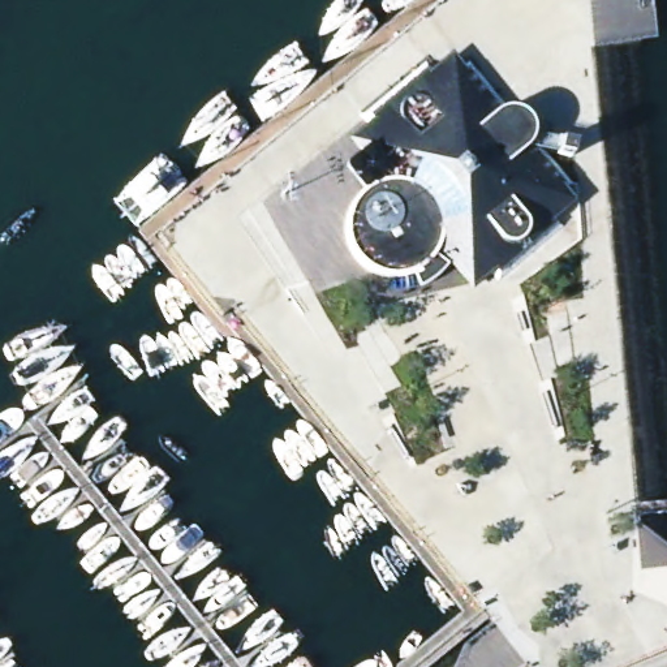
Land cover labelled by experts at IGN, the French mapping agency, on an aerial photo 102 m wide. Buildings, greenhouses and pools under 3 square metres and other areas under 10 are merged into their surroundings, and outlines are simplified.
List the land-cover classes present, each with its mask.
<instances>
[{"label":"water","instance_id":"1","mask_svg":"<svg viewBox=\"0 0 667 667\"><path fill-rule=\"evenodd\" d=\"M417 0H0V667H393L399 657L414 654V649L422 644V636H433L440 625L453 620L459 615V607H451L440 584L427 578V571L419 560H412L406 542L393 537V526L380 524V511L373 508L367 498L357 495L360 485L349 479V474H344L339 464H334V453L326 451L323 440L315 435L310 425L297 419L294 406H276L268 399L266 375H261L258 370V360L240 341L227 344L224 339H216V328L211 326V320L198 313L195 302L188 300V292L180 281L169 279L167 266L159 258V250L149 237H143L135 229V224L164 203L167 188L201 177L203 172H208L206 162L229 154L232 149H237L240 138H250L261 128V117H271L294 104L302 94L305 81H310L313 70H334V57L362 47L367 42L365 31H380L391 21L388 10L406 8ZM659 34L641 42L597 44L594 63L599 115H604L617 130V135L604 146V162L612 211V253L623 326L625 388L636 461V508L667 513V0H657Z\"/></svg>","mask_w":667,"mask_h":667},{"label":"impervious surface","instance_id":"2","mask_svg":"<svg viewBox=\"0 0 667 667\"><path fill-rule=\"evenodd\" d=\"M391 21L380 31H365L367 42L362 47L334 57V70H313L310 81H305L302 94L294 104L271 117H261V128L250 138H240L237 149H232L229 154L206 162L208 172H203L201 177L167 188L164 203L135 224V229L143 237H149L159 250V258L167 266L169 279L180 281L188 292V300L195 302L198 313L211 320V326L216 328V339H224L227 344L240 341L258 360V370L261 375H266L268 399L276 406H294L297 419L310 425L315 435L323 440L326 451L334 453V464H339L344 474H349V479L360 485L357 495L367 498L373 508L380 511V524L393 526V537L406 542L412 560H419L427 571V578L440 584L451 607H459V615L453 620L440 625L433 636H422V644L414 649V654L399 657L393 667H560V657L568 654L576 644H591L599 649L602 659L586 667H667V513L636 508V461L625 388L623 326L612 253V211L604 162V146L617 135V130L604 115H599L594 63L597 44L641 42L659 34L657 0H417L406 8L388 10ZM425 57H451L456 63L459 86L474 78L495 104L511 99L513 94L529 96L542 120L539 130L547 135L565 133L568 143L584 149L576 164L594 182V195L586 203H578L565 224L552 227L529 253H524L508 268H498L487 281H477L474 274L464 279L453 263L446 268L443 276H370L352 261L341 237V219L347 201L352 195L344 167H349L357 154L352 143L360 135L357 128L365 125L360 120V112L367 109V102L378 96L391 81H396L401 73H406ZM573 245L584 250V292L581 297L550 305L547 336L534 339L521 284L537 271H542L550 261L565 255ZM360 276H367L362 281L365 302L375 323L357 336V347H344L341 336L326 318L318 294ZM399 300L414 302L422 313L401 326L380 320L391 307H396ZM425 341H435L430 349L440 362L427 375V383L430 391L438 396L440 412L446 414L427 417L430 427H440V453L417 464L393 427V409H380V399H386V393L399 386L393 375V365L399 362V357L409 352H422ZM584 357L597 360L589 386L597 419L594 440L571 438L555 419V367ZM474 453L482 459V466L490 474H469L456 469V459H466ZM508 518L518 521L521 529L511 539L490 545L485 539V532ZM565 584H578L576 604H586V610L555 628L539 633L532 631V620L542 612L545 597L550 591L563 589Z\"/></svg>","mask_w":667,"mask_h":667},{"label":"building","instance_id":"3","mask_svg":"<svg viewBox=\"0 0 667 667\"><path fill-rule=\"evenodd\" d=\"M360 120L365 125L357 128L360 135L352 143L357 154L349 167H344L352 195L347 201L341 219V237L352 261L370 276H443L446 268L453 263L464 279L474 274L477 281H487L498 268H508L524 253H529L552 227L565 224L578 203H586L594 195V182L576 164L584 149L568 143L565 133L547 135L539 130L542 120L529 96L513 94L511 99L495 104L474 78L459 86L456 63L451 57H425L406 73H401L396 81H391L378 96L367 102V109L360 112Z\"/></svg>","mask_w":667,"mask_h":667},{"label":"deciduous trees","instance_id":"4","mask_svg":"<svg viewBox=\"0 0 667 667\"><path fill-rule=\"evenodd\" d=\"M584 250L573 245L565 255L550 261L542 271H537L521 284L534 339L547 336L550 305L581 297L584 292ZM367 276H360L318 294L326 318L341 336L344 347H357V336L375 323L365 302L362 281ZM422 313L414 302L399 300L396 307H391L380 320L401 326ZM435 341H425L422 352H409L399 357V362L393 365V375L399 386L386 393V399H380V409H393V427L417 464L440 453V427H430L427 417L446 414L440 412L438 396L430 391L427 383V375L440 362L430 349ZM597 360L584 357L555 367V419L571 438L594 440L597 419L589 386ZM456 469L469 474H490L482 466V459L474 453L466 459H456ZM521 529L518 521L508 518L485 532V539L490 545L511 539Z\"/></svg>","mask_w":667,"mask_h":667},{"label":"brushwood","instance_id":"5","mask_svg":"<svg viewBox=\"0 0 667 667\"><path fill-rule=\"evenodd\" d=\"M578 584H565L563 589L550 591L545 597L542 612L532 620V631L539 633L555 628L586 610V604H576ZM602 659L599 649L591 644H576L568 654L560 657V667H586Z\"/></svg>","mask_w":667,"mask_h":667}]
</instances>
